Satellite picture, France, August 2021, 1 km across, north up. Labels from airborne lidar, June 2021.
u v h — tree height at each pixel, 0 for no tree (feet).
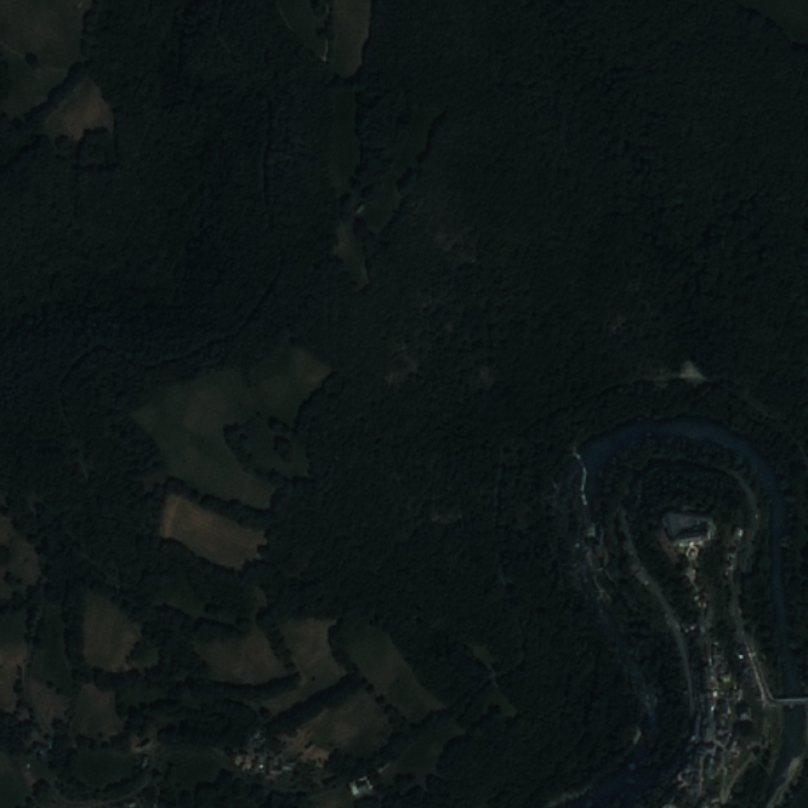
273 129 74
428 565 73
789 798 39
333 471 65
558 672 66
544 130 60
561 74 56
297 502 61
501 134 53
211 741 70
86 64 19
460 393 58
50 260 70
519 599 73
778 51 76
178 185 75
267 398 0
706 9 58
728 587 22
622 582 30
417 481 71
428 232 28
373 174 59
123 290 78
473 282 53
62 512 56
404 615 82
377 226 0
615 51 88
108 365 49
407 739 71
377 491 65
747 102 58
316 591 73
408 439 76
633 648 86
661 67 52
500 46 57
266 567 44
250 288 72
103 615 0
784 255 82
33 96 0
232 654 0
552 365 76
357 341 51
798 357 83
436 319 54
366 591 69
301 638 0
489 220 73
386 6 52
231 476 0
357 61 0
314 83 37
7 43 0
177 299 76
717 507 64
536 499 74
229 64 64
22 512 49
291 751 0
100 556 60
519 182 69
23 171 59
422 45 49
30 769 0
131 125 56
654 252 96
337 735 0
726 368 81
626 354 56
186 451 0
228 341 68
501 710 41
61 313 70
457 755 75
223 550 0
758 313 79
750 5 0
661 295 73
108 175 61
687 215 84
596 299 80
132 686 65
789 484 54
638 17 73
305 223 58
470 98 55
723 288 71
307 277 29
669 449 88
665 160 87
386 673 0
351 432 69
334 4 23
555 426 106
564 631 105
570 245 78
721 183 85
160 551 54
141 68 73
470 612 60
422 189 28
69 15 0
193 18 95
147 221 63
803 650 50
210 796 72
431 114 0
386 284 63
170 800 43
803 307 91
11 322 75
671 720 65
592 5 63
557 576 73
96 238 55
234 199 76
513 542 101
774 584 0
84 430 48
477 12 57
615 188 66
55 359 56
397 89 60
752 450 0
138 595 41
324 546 66
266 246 55
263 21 56
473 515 32
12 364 55
